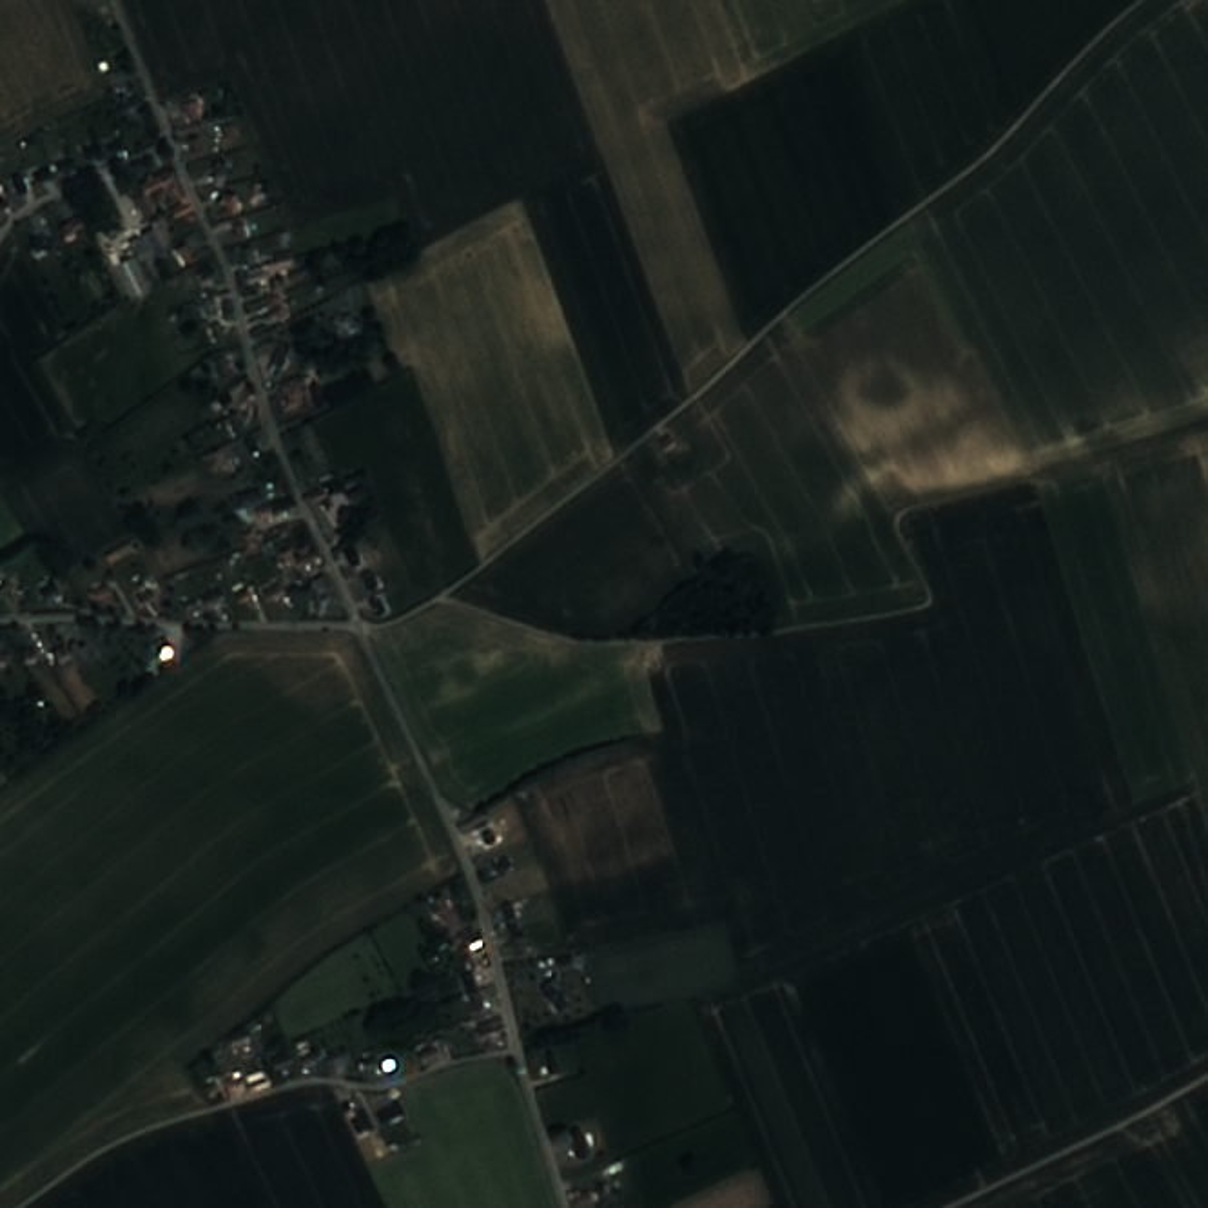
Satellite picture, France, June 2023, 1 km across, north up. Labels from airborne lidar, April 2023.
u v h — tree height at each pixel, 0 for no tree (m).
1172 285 0
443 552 0
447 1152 0
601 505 0
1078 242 0
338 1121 0
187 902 0
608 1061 0
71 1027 0
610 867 0
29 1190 0
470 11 0
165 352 0
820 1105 0
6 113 0
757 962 0
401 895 0
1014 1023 0
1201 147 0
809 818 0
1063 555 0
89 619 7
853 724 0
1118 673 0
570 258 0
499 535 0
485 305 0
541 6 0
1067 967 0
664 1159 0
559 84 0
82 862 0
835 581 0
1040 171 0
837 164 0
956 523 0
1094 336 0
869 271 0
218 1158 0
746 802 0
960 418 0
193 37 0
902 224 0
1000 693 0
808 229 0
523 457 0
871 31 0
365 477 6
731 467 0
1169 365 0
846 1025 0
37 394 0
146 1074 0
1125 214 0
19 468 0
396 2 0
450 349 0
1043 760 0
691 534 0
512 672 0
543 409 0
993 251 0
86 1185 0
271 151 0
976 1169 0
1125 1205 0
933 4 0
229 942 0
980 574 0
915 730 0
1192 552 0
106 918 0
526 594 0
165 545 0
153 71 0
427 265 0
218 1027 0
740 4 0
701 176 0
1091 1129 0
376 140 0
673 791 0
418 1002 9
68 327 7
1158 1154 0
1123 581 0
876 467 0
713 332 0
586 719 0
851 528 0
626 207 0
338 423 0
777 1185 0
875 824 0
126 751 0
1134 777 0
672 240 0
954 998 0
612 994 0
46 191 0
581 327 0
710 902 0
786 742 0
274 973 0
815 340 0
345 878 0
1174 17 0
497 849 0
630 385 0
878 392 0
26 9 0
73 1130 0
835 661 0
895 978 0
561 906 0
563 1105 0
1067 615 0
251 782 0
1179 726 0
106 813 0
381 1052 0
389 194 0
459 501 0
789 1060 0
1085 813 0
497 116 0
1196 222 0
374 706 0
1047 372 0
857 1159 0
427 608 0
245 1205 0
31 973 0
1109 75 0
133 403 0
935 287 0
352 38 0
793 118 0
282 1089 0
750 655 0
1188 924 0
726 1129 0
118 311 0
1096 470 0
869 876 0
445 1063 0
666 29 0
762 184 0
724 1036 0
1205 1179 0
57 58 0
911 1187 0
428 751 0
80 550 0
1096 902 0
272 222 0
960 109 0
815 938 0
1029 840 0
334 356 10
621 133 0
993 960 0
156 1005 0
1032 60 0
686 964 0
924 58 0
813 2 0
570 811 0
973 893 0
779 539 0
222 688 0
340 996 0
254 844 0
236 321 0
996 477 0
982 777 0
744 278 0
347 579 0
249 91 0
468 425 0
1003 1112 0
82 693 0
